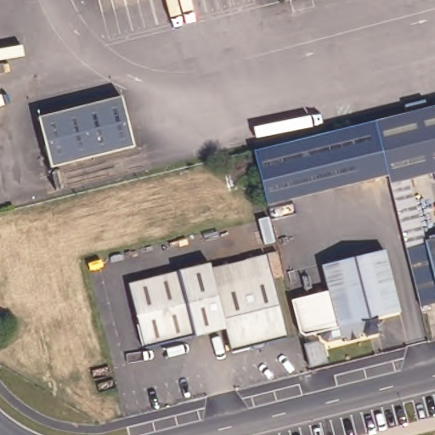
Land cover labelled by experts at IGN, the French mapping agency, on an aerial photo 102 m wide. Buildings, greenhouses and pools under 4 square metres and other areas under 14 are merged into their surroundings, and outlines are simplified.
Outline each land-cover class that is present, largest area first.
<instances>
[{"label":"impervious surface","instance_id":"1","mask_svg":"<svg viewBox=\"0 0 435 435\"><path fill-rule=\"evenodd\" d=\"M116 95L121 97L129 138H136V148L68 167H51L39 126V116L95 100L109 99ZM430 105H435V0H0V212H5V207L8 206H24L58 195L139 177L150 168L170 165L192 156H201V163L204 165L217 146L229 148L228 156L248 150L255 153L257 148L270 144L285 143L338 127L374 121L379 117L394 116L401 112L427 109ZM253 221L240 226L206 229L199 234H189L185 240L182 236H177L160 245L143 248H127L126 245H122L109 250L104 260L90 263V270H95L92 274L93 289L99 304L100 318L104 323L105 338L117 381L116 391L121 401V416L129 423L126 435H435V302L427 306L416 304L399 238L404 236L406 246H416L423 243V238L428 240V236L435 234V172L399 180L393 185H387L386 177L381 175L364 182L338 185L331 189L292 197L291 204L285 201L268 202L267 207H258L253 211ZM386 251L398 292L401 313L391 318H379L376 333H364L350 342L328 340L325 348L328 350L365 340L372 343V352L365 355L336 362L328 360L323 364L311 365L306 345L311 342L308 336L301 335L292 304L297 297L311 296L328 289L323 270L325 263L360 257L372 251ZM260 255L267 258L268 270L274 279L275 291L279 296L280 309L284 316L285 335L236 347L229 342L226 330L211 331L207 335L185 333L161 342L143 343L131 282L170 274L175 270L195 267L202 263L221 267ZM0 435H42L24 427L0 408Z\"/></svg>","mask_w":435,"mask_h":435},{"label":"building","instance_id":"2","mask_svg":"<svg viewBox=\"0 0 435 435\"><path fill-rule=\"evenodd\" d=\"M39 126L51 167H68L136 148V138H129L121 97L116 95L109 99L95 100L39 116ZM268 202L285 201L291 204L292 197L331 189L338 185L364 182L381 175L386 177L387 185H393L399 180L435 172V105H430L427 109L401 112L394 116L379 117L374 121L338 127L285 143L270 144L257 148L255 153ZM416 304L427 306L435 302V234L428 236V240L423 238V243L416 246H406L404 236L399 238ZM323 270L328 289L311 296L297 297L292 304L301 335L308 336L311 342L306 345L311 365L323 364L328 360V350L325 348L328 340L350 342L364 333H376L379 318H391L401 313L398 292L386 251H372L360 257L325 263ZM143 343L161 342L185 333L207 335L211 331L226 330L229 342L236 347L285 335L284 316L280 309L279 296L275 291L274 279L268 270L267 258L260 255L221 267L202 263L195 267L175 270L170 274L131 282Z\"/></svg>","mask_w":435,"mask_h":435},{"label":"agricultural land","instance_id":"3","mask_svg":"<svg viewBox=\"0 0 435 435\"><path fill-rule=\"evenodd\" d=\"M253 211L251 202L245 197L243 185H234L233 178L228 175L217 177L214 173L207 172L204 165L201 163V156H192L170 165L150 168L139 177L58 195L24 206H8L5 207V212H0V308L8 309L19 321L14 340L8 343L7 347L0 348V362H5L8 367H12L20 374H32L46 382L53 394H58L61 398L68 396L99 423L117 420L121 416V401L114 403L109 396H105V393L100 396L95 394V386L88 376V367L100 364L102 357L99 340L92 326V313L83 289L80 260L83 255L93 251L109 250L122 245H126L127 248H143L160 245L177 236H182L185 240L189 234H199L206 229L240 226L253 221Z\"/></svg>","mask_w":435,"mask_h":435},{"label":"herbaceous vegetation","instance_id":"4","mask_svg":"<svg viewBox=\"0 0 435 435\"><path fill-rule=\"evenodd\" d=\"M109 250L93 251L83 255L80 260L83 289L92 313V326L99 340L102 357L100 364L88 367V376L95 386V394L100 396L105 393V396H109L114 403L121 401L116 391L117 381L105 338L104 323L100 318L99 304L93 289L92 274L95 270H90V263L104 260ZM372 352V343L365 340L328 350V360L336 362L365 355ZM0 408L24 427L42 435H126L129 423L121 416L117 420L99 423L68 396L61 398L58 394H53L46 382L32 374H20L12 367H8L5 362H0Z\"/></svg>","mask_w":435,"mask_h":435},{"label":"deciduous trees","instance_id":"5","mask_svg":"<svg viewBox=\"0 0 435 435\"><path fill-rule=\"evenodd\" d=\"M229 148L217 146L204 165L207 172L214 173L217 177L228 175L233 178L234 185H243L245 197L251 202L253 211L258 207H267L268 202L255 153L248 150L228 156ZM19 321L8 309L0 308V348L7 347L8 343L14 340Z\"/></svg>","mask_w":435,"mask_h":435}]
</instances>
